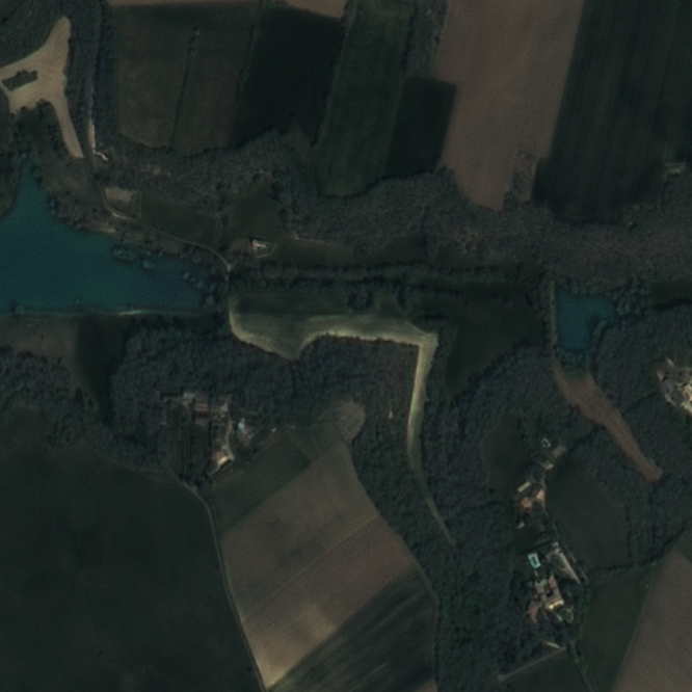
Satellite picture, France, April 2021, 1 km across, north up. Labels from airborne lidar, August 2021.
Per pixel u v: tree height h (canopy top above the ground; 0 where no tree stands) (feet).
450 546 33
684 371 0
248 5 0
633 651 0
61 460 0
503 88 0
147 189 54
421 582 0
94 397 0
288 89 0
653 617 0
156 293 0
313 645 0
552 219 40
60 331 0
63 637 0
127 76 0
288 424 40
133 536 0
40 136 0
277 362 58
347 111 0
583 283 76
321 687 0
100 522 0
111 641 0
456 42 0
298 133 0
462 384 0
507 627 62
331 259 0
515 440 0
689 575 0
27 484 0
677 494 63
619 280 80
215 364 74
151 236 0
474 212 41
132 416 63
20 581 0
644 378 45
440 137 0
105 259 0
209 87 0
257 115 0
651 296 24
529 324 0
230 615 0
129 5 0
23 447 0
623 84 0
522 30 0
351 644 0
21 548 0
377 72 0
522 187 0
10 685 0
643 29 0
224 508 0
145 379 71
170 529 0
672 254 57
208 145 0
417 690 0
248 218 0
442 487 64
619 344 48
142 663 0
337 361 60
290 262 0
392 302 0
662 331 70
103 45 35
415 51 53
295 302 0
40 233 0
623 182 0
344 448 0
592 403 0
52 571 0
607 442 78
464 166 0
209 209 82
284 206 80
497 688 54
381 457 58
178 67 0
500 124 0
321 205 42
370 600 0
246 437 0
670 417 47
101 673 0
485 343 0
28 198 0
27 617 0
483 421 60
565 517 0
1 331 0
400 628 0
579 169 0
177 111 0
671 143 0
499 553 47
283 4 24
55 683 0
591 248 53
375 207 48
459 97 0
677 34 0
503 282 61
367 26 0
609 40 0
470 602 84
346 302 0
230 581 0
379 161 0
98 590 0
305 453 0
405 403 19
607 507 0
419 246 0
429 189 54
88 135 0
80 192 0
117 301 0
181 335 62
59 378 57
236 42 0
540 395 66
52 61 0
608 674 0
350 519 0
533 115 0
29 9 37
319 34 0
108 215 29
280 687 0
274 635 0
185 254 38
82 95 22
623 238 41
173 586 0
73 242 0
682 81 0
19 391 55
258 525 0
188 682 0
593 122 0
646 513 74
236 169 63
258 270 57
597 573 35
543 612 44
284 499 0
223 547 0
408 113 0
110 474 0
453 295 45
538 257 83
